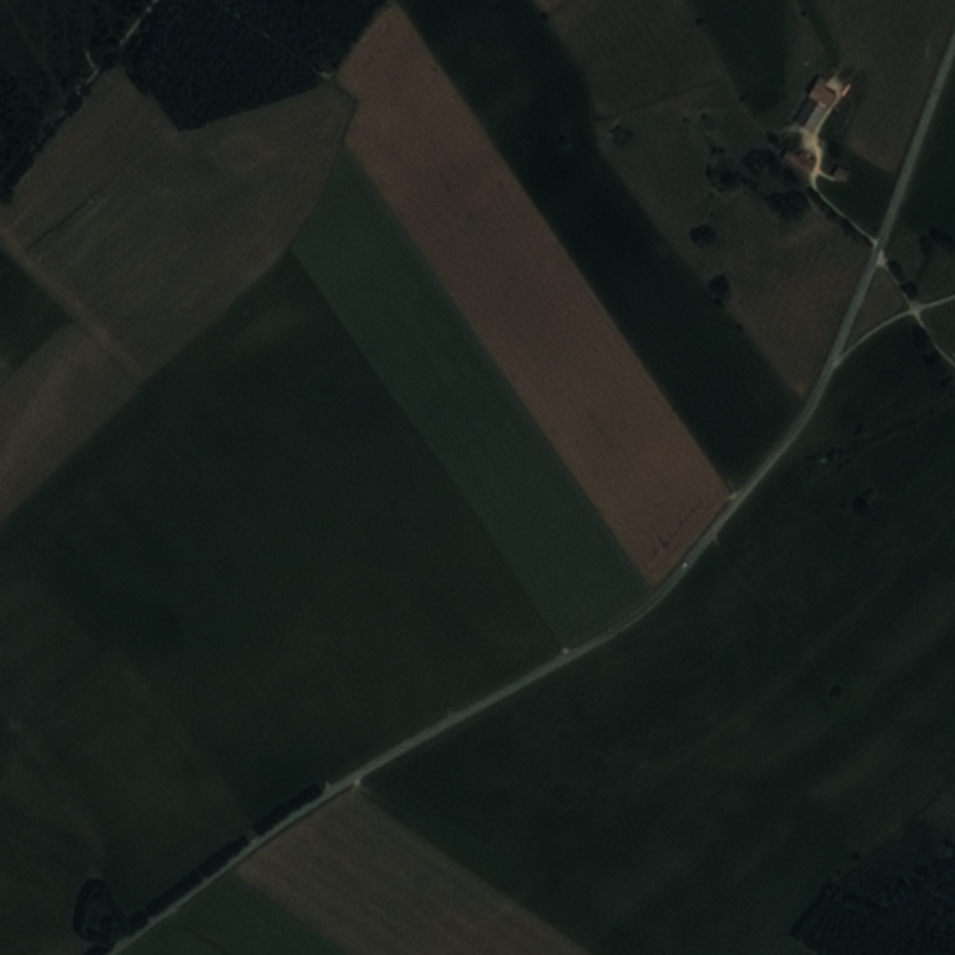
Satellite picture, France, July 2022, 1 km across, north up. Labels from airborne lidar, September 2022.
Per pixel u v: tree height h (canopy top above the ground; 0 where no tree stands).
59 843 0
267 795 0
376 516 0
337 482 0
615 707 0
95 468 0
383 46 0
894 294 0
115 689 0
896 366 0
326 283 0
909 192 0
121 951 0
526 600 0
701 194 0
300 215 0
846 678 0
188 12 25
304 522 0
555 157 0
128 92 0
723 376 0
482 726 0
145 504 0
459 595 0
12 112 7
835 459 7
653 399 0
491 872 0
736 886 0
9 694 0
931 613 0
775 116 0
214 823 0
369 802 0
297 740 0
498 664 0
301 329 0
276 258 0
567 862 0
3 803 0
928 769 0
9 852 0
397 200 0
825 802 0
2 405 0
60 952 0
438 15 0
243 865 0
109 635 0
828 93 0
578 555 0
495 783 0
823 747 0
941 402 0
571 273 0
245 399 0
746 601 0
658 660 0
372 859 0
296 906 0
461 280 0
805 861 0
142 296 0
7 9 0
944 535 0
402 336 0
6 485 0
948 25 0
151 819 0
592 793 0
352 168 0
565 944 0
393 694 0
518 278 0
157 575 0
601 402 0
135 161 0
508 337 0
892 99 0
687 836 0
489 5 0
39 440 0
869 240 12
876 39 0
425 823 0
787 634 0
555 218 0
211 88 24
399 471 0
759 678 0
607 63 0
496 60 0
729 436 0
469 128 0
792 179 23
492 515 0
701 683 0
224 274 0
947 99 0
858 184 0
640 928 0
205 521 0
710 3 0
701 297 0
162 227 0
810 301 0
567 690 0
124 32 9
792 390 0
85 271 0
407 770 0
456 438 0
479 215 0
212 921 0
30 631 0
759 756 0
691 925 0
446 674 0
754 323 0
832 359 0
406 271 0
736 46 0
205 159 0
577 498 0
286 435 0
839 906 13
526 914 0
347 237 0
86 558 0
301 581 0
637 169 0
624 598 0
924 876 24
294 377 0
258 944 0
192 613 0
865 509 19
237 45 21
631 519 0
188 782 0
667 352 0
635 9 0
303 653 0
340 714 0
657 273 0
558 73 0
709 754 0
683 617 0
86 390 0
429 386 0
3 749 0
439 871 0
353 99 0
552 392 0
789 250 0
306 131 0
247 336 0
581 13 0
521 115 0
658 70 0
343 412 0
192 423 0
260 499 0
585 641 0
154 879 0
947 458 0
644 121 0
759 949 0
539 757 0
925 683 0
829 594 0
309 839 0
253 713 0
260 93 20
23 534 0
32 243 0
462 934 0
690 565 0
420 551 0
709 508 0
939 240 20
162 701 0
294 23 23
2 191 25
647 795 0
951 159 0
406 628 0
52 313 0
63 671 0
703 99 0
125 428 0
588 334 0
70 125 0
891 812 0
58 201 0
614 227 0
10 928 0
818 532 0
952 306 0
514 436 0
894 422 0
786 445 0
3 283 0
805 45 0
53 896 0
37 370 0
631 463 0
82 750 0
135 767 0
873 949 10
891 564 0
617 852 0
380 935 0
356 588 0
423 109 0
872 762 0
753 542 0
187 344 0
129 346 0
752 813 0
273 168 0
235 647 0
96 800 0
